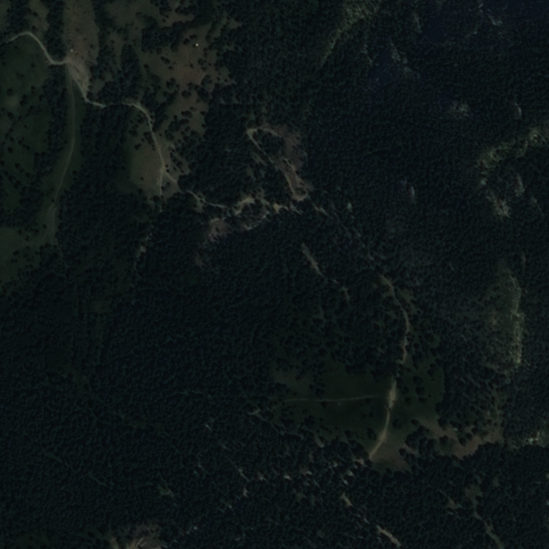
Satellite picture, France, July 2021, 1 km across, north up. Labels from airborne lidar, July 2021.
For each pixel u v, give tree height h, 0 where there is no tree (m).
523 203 21
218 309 25
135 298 11
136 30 0
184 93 9
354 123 19
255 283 11
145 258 13
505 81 20
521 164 26
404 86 16
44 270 8
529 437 8
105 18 6
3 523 9
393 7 26
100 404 15
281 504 23
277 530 15
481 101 10
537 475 20
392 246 21
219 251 24
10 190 0
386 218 8
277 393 9
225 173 12
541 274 16
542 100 25
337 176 18
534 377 22
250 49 10
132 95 11
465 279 16
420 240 12
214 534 17
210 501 22
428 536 29
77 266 13
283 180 23
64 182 0
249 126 9
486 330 8
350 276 24
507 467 25
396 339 15
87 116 8
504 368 11
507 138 10
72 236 10
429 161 29
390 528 23
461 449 0
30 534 6
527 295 9
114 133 10
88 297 8
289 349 9
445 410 18
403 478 30
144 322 19
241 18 10
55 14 11
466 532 29
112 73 8
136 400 19
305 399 0
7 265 0
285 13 22
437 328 23
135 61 8
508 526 27
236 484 22
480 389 11
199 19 8
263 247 10
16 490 20
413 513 26
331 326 16
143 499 22
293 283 16
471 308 10
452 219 16
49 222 0
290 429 22
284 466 25
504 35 8
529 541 20
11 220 11
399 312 10
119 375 25
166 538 8
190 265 23
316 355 10
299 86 15
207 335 24
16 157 0
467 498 26
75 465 18
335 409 0
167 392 23
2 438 17
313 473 27
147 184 0
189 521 26
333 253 22
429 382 0
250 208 13
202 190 11
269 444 23
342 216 24
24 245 0
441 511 26
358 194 14
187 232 25
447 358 16
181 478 13
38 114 8
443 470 22
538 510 20
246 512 27
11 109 0
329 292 7
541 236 21
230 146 8
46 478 22
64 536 10
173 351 26
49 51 12
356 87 20
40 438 18
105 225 14
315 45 16
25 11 13
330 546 25
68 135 0
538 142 9
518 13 17
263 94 9
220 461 21
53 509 20
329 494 31
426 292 11
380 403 0
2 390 20
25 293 7
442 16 10
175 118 9
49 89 9
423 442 12
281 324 23
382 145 19
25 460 21
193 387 17
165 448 21
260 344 30
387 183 22
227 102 12
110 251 8
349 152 11
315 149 14
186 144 6
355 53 17
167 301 28
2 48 7
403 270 24
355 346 11
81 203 13
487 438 0
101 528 11
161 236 27
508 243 25
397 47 22
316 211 26
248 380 17
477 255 16
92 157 11
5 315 13
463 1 14
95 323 26
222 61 9
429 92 16
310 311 18
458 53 16
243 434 24
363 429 0
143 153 0
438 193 25
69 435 15
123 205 16
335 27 19
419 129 20
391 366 25
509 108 14
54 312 23
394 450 0
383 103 14
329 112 14
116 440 12
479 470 28
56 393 27
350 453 21
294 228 25
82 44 0
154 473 20
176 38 7
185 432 17
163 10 10
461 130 16
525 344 16
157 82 7
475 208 19
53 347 22
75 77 0
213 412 16
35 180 7
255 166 19
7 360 18
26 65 0
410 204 9
